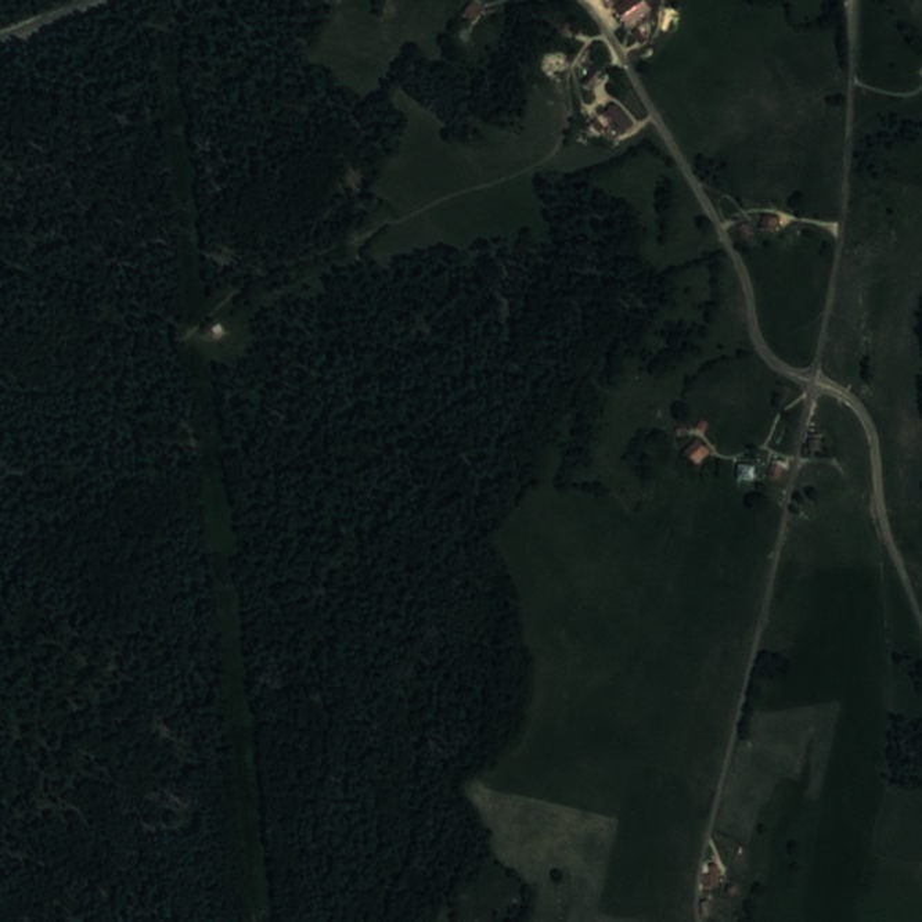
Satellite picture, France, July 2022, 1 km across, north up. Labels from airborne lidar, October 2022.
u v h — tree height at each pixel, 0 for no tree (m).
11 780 28
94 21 22
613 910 0
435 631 23
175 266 22
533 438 18
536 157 0
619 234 23
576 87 0
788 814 0
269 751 23
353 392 9
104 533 25
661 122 0
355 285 15
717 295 6
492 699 19
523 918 14
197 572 32
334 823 24
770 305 0
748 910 10
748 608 0
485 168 0
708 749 0
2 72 24
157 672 25
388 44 0
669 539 0
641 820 0
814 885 0
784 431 0
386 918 13
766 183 0
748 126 0
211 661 8
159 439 25
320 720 27
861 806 0
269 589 12
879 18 0
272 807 25
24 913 27
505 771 0
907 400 0
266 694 25
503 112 16
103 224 22
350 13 0
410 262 19
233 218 19
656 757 0
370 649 35
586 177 9
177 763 24
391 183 0
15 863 28
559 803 0
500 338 32
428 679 27
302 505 17
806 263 0
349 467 27
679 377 0
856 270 0
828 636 0
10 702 21
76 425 26
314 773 27
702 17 0
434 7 0
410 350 11
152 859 19
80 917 25
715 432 0
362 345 10
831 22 15
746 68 0
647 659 0
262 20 16
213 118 7
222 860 29
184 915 30
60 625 25
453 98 20
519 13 19
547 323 24
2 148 25
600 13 0
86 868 26
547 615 0
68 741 21
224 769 24
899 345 0
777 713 0
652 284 20
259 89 11
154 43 26
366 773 22
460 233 0
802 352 0
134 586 24
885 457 0
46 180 26
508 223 0
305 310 12
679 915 0
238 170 25
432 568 10
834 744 0
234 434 17
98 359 19
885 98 0
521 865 0
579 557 0
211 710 21
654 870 0
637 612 0
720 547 0
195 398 11
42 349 17
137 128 21
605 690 0
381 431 25
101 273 24
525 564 0
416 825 17
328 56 0
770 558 0
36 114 28
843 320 0
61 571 25
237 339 0
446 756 7
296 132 9
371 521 10
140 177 18
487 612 13
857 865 0
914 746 14
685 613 0
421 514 31
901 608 0
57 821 19
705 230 22
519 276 28
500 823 0
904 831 0
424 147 0
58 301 25
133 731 24
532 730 0
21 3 20
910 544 0
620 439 0
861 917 0
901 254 0
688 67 0
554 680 0
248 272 21
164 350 24
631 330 16
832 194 0
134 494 25
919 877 0
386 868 16
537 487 17
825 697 0
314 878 26
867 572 0
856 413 0
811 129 0
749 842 0
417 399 28
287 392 28
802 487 0
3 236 24
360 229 7
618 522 0
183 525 29
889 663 0
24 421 32
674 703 0
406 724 11
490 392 28
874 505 0
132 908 19
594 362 13
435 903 20
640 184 0
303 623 18
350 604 24
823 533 0
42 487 27
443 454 26
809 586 0
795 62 0
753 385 0
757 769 0
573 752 0
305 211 23
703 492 0
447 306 30
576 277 24
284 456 15
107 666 25
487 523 12
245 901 18
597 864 0
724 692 0
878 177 14
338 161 23
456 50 12
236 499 22
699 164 12
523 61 19
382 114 25
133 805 22
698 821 0
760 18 0
